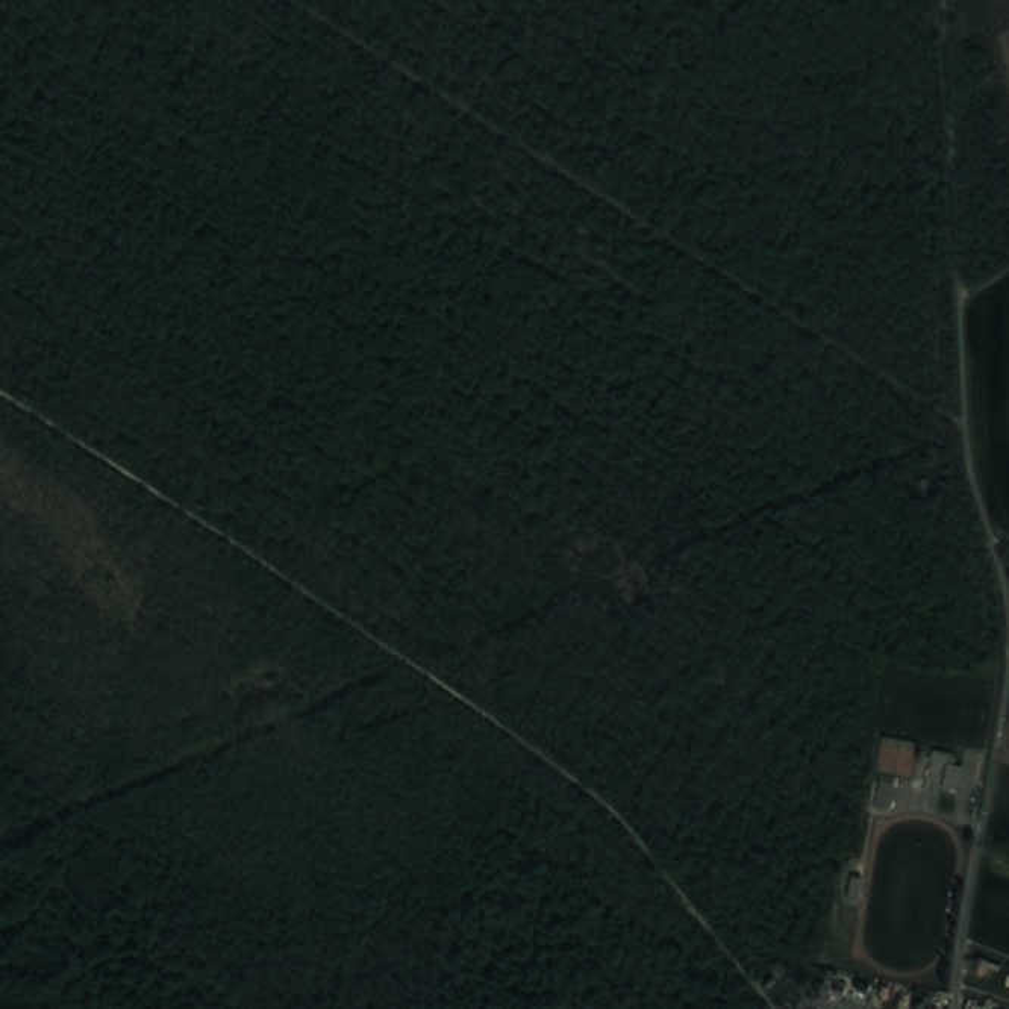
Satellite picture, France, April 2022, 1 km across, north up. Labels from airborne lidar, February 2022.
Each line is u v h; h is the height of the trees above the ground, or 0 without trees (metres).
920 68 22
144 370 19
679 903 20
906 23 21
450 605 9
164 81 18
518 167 18
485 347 16
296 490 21
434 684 6
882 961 0
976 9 0
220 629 15
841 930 0
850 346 21
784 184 20
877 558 18
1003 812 0
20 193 16
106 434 17
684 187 19
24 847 18
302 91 20
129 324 20
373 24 21
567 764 19
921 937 0
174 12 20
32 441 15
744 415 19
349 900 20
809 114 13
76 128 12
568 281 19
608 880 21
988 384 0
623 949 25
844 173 20
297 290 14
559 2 19
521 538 19
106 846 18
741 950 23
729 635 20
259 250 14
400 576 20
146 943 15
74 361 18
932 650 16
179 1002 14
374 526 20
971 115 11
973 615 16
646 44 19
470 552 21
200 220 14
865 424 17
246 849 13
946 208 17
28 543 14
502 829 19
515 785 16
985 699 0
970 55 14
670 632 19
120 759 13
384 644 14
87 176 12
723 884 20
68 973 25
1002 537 0
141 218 17
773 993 0
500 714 16
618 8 22
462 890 17
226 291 23
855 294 21
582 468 12
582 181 21
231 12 22
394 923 19
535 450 21
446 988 20
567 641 18
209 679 15
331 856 15
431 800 14
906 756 0
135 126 18
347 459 22
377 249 17
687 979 21
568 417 16
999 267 12
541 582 15
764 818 18
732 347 19
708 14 21
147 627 14
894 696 0
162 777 9
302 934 20
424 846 13
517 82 20
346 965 26
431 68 21
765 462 18
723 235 20
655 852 21
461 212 19
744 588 14
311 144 16
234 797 12
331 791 14
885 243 20
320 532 18
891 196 20
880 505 18
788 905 21
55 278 19
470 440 18
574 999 32
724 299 18
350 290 12
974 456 0
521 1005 19
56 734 14
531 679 18
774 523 14
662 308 19
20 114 17
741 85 19
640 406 12
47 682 14
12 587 12
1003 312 0
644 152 21
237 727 13
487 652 18
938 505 19
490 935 14
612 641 14
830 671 19
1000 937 0
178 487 15
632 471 16
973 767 0
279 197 13
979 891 0
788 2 21
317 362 18
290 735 16
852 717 17
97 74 22
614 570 0
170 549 15
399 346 16
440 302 20
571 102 17
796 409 18
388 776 14
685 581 14
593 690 21
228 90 18
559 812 23
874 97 23
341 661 14
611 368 17
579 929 22
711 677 19
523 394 17
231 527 17
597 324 21
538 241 17
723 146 19
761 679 20
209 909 15
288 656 12
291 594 16
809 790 19
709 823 19
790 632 19
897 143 20
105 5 20
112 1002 16
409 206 20
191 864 14
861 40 22
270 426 21
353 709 14
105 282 20
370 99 18
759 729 22
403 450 21
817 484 18
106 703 15
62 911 20
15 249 16
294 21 22
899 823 0
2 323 12
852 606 19
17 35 23
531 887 24
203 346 18
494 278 21
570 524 15
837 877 18
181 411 16
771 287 19
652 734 17
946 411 15
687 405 14
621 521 12
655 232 17
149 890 26
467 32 16
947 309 9
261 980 27
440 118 19
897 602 11
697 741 17
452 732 17
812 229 20
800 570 15
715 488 16
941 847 0
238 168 15
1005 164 7
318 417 21
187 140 7
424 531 20
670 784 18
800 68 18
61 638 15
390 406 18
